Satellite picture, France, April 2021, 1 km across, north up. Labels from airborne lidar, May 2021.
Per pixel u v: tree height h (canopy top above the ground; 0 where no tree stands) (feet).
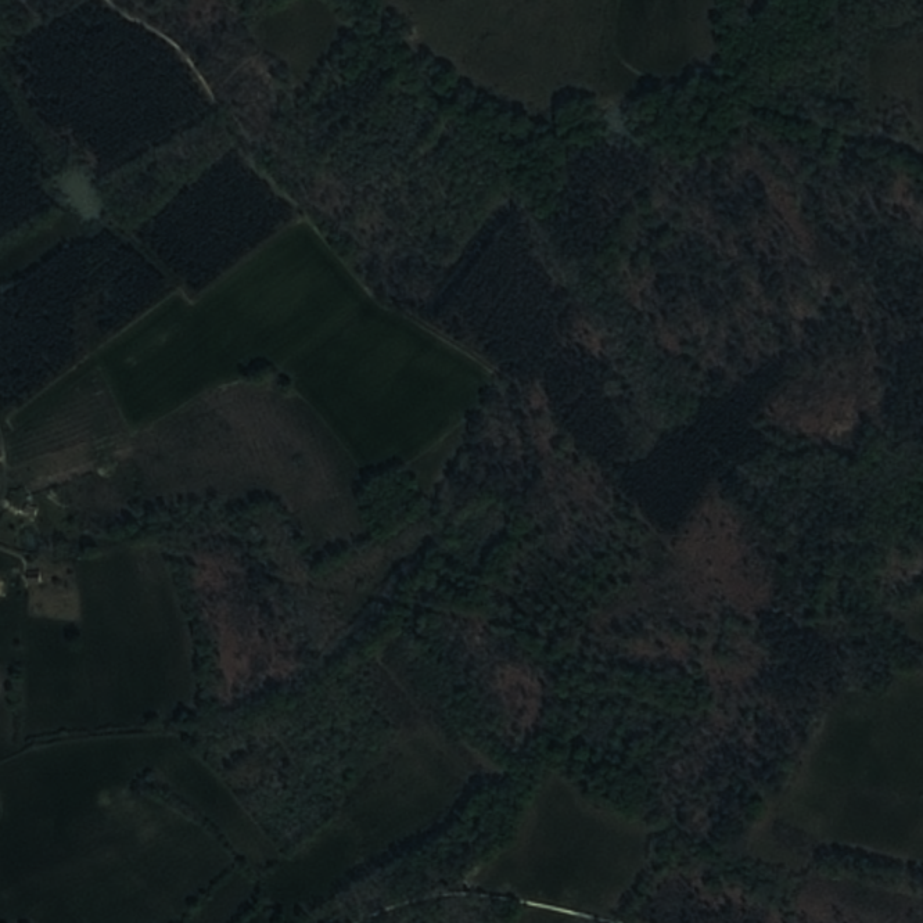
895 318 79
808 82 28
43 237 0
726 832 78
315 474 0
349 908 53
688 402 50
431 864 70
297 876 0
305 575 23
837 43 44
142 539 66
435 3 0
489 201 70
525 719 24
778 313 47
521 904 30
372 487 76
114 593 0
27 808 0
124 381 0
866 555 79
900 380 41
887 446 66
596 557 61
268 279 0
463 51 0
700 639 40
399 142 19
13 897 0
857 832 0
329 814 32
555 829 0
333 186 23
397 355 0
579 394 52
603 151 68
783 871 21
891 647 67
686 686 70
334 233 60
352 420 0
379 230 24
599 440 53
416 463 0
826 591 73
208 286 31
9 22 67
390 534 55
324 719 41
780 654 66
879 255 74
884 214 72
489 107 73
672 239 56
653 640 38
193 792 0
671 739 36
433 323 21
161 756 0
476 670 58
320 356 0
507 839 55
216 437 0
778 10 71
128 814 0
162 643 0
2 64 32
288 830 37
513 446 67
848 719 0
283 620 20
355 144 30
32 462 0
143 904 0
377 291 46
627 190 60
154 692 0
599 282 46
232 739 40
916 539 56
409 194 39
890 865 53
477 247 41
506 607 83
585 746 67
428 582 74
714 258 50
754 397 35
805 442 40
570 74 0
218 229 38
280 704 70
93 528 28
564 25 0
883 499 65
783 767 60
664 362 31
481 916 50
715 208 59
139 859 0
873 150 79
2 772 0
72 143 36
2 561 0
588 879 0
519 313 60
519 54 0
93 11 29
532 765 65
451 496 42
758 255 79
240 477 0
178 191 46
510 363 37
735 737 36
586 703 26
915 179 65
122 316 38
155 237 40
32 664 0
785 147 63
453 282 26
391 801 0
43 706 0
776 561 31
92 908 0
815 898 0
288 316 0
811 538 53
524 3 0
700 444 32
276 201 31
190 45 23
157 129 40
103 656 0
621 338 60
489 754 51
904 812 0
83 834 0
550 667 33
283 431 0
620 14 0
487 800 75
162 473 0
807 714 34
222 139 51
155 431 0
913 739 0
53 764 0
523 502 46
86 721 0
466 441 32
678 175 47
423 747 0
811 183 37
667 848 64
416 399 0
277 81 62
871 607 69
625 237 56
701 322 37
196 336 0
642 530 55
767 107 50
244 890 0
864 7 50
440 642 26
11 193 41
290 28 0
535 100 0
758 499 63
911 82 0
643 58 0
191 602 59
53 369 38
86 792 0
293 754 29
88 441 0
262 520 29
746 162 49
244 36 63
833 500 56
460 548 35
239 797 34
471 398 0
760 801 57
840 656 64
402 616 49
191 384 0
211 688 58
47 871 0
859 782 0
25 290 41
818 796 0
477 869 40
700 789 43
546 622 63
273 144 45
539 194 86
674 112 73
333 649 32
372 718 39
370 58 74
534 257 50
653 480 40
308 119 53
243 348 0
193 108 29
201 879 0
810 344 34
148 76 31
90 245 40
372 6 70
